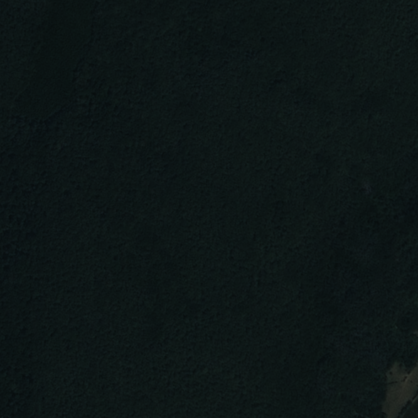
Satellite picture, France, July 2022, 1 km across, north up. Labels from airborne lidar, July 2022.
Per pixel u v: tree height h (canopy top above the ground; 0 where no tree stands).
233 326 16
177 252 18
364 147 23
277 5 14
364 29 15
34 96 15
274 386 19
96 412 14
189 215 17
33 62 25
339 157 16
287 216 21
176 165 21
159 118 19
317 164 20
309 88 19
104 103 27
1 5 21
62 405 16
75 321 18
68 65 17
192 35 27
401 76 20
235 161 18
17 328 21
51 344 18
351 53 19
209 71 25
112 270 19
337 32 16
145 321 25
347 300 25
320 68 18
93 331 17
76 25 15
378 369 17
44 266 19
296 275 18
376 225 20
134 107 20
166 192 18
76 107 24
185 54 30
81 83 22
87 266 14
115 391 18
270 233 17
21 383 29
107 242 20
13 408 31
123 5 20
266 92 25
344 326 19
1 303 24
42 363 20
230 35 22
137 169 18
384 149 20
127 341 20
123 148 19
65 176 18
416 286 19
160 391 14
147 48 21
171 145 19
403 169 21
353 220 20
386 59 13
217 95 18
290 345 19
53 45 15
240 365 16
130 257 20
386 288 8
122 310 17
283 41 23
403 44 7
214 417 15
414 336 12
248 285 18
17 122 27
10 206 28
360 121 18
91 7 12
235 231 17
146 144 24
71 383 16
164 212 16
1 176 25
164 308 19
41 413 20
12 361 26
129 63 23
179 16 23
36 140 24
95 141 16
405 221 17
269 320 17
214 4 25
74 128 17
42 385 20
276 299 19
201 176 15
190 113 19
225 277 18
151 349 19
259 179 16
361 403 16
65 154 17
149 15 19
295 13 16
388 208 22
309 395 24
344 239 23
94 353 17
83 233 16
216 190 16
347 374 19
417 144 17
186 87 22
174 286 15
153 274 20
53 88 16
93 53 22
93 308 17
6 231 26
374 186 25
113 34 21
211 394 15
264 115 17
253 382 9
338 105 18
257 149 16
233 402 14
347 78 15
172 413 15
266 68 20
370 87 24
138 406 17
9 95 19
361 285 25
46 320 18
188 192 17
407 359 11
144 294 21
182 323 16
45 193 26
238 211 19
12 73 19
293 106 20
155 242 23
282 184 21
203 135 16
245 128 17
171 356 12
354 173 23
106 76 26
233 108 18
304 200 19
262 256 17
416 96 16
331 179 18
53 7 13
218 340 17
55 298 18
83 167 20
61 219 19
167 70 19
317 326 22
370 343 18
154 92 19
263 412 15
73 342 20
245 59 13
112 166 20
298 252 16
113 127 24
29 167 29
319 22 17
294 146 16
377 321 15
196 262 13
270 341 17
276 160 15
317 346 27
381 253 22
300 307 15
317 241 20
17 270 21
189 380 13
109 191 21
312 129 15
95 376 17
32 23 18
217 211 14
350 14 13
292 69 19
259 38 25
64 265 18
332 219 17
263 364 19
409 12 11
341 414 8
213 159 16
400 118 19
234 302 25
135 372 16
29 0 17
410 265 8
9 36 18
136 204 17
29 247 26
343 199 17
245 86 24
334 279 23
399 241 16
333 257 20
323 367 21
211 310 15
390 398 0
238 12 22
